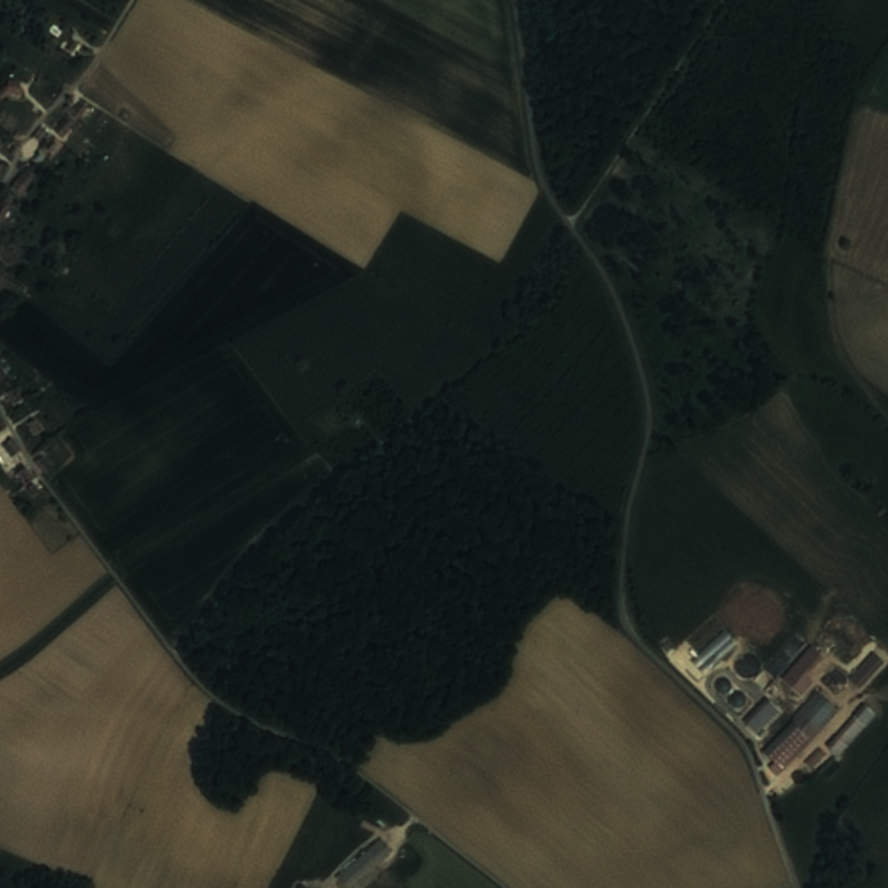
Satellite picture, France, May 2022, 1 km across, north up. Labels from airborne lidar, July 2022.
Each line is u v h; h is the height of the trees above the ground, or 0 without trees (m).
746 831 0
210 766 26
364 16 0
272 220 0
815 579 0
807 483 0
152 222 0
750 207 8
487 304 0
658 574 0
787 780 0
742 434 0
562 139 22
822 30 10
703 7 19
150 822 0
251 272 0
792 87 11
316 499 16
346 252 0
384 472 27
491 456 32
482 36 0
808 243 13
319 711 25
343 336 0
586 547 29
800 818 0
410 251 0
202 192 0
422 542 28
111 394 0
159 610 0
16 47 0
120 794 0
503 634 32
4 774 0
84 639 0
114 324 0
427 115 0
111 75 0
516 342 6
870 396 0
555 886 0
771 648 0
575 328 0
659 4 27
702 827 0
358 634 30
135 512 0
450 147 0
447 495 31
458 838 0
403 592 31
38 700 0
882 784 0
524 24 17
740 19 11
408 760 0
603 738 0
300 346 0
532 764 0
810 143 12
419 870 0
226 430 0
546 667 0
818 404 0
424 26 0
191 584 0
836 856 37
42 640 0
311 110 0
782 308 0
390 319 0
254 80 0
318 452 0
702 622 0
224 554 0
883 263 0
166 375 0
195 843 0
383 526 30
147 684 0
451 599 27
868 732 0
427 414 6
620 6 30
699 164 11
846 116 6
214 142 0
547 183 0
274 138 0
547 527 31
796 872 0
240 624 20
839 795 0
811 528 0
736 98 12
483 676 28
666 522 0
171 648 0
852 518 0
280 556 21
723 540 0
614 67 32
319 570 26
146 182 0
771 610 0
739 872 0
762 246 0
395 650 28
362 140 0
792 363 0
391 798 0
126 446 0
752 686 0
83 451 0
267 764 26
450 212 0
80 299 0
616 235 23
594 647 0
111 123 0
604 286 0
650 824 0
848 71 10
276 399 0
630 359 0
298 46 0
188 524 0
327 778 24
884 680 0
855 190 0
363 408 6
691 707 0
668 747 0
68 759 0
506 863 0
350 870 0
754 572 0
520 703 0
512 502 27
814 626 0
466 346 0
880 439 0
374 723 25
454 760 0
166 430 0
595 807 0
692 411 24
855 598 0
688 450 0
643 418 0
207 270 0
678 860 0
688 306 29
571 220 0
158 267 0
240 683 30
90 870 0
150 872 0
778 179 8
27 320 0
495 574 31
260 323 0
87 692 0
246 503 0
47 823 0
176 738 0
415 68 0
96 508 0
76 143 0
